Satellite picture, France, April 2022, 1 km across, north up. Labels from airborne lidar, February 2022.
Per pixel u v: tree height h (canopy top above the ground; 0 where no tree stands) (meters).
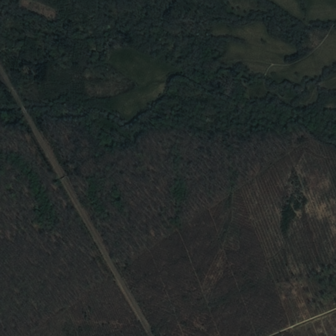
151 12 23
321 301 0
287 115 29
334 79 0
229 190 26
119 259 26
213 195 24
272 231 0
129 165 0
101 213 26
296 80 0
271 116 24
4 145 29
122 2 26
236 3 0
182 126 29
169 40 14
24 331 26
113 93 0
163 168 28
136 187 28
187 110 25
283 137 20
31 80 9
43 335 0
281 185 0
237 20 17
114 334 7
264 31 0
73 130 27
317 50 0
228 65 0
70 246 0
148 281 9
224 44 16
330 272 19
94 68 15
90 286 26
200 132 30
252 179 0
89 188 25
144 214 0
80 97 10
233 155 26
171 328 6
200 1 23
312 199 0
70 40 18
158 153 0
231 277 6
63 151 28
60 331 0
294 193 0
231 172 21
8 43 22
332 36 0
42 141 0
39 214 25
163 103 23
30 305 31
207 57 22
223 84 28
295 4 0
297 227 0
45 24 23
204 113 20
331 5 0
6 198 0
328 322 0
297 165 0
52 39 25
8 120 21
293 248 0
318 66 0
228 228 7
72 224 31
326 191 0
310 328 0
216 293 6
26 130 19
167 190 0
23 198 29
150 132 34
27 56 0
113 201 26
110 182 28
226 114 12
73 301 23
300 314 0
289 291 0
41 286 31
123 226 29
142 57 0
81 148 30
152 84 0
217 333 10
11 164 28
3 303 27
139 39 20
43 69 22
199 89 22
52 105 22
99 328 7
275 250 0
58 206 25
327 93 14
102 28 6
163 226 22
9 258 29
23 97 20
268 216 0
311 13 0
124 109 0
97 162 8
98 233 0
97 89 0
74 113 28
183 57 7
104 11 21
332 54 0
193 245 0
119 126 11
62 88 0
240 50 0
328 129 17
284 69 0
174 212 24
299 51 18
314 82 17
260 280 6
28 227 30
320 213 0
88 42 20
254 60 0
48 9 0
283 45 0
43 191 27
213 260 6
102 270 0
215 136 28
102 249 0
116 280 0
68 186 0
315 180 0
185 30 21
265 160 0
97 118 13
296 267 0
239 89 26
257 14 18
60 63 7
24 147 28
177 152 27
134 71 0
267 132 29
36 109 20
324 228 0
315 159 0
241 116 25
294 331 0
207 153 27
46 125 29
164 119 28
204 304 6
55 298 30
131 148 35
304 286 0
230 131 19
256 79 18
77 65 15
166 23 23
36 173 27
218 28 0
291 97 0
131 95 0
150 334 0
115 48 31
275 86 19
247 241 0
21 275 30
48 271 0
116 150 32
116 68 0
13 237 0
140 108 0
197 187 25
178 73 10
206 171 26
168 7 19
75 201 0
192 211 23
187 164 25
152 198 0
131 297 0
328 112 19
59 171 0
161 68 0
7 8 17
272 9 17
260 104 24
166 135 29
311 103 0
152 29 19
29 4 0
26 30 24
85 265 30
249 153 27
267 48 0
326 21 0
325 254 0
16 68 0
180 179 24
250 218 0
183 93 31
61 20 8
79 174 10
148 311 5
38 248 29
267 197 0
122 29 22
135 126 25
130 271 10
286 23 18
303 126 28
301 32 11
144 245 0
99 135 28
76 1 19
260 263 0
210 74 30
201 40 12
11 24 0
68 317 0
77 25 8
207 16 22
